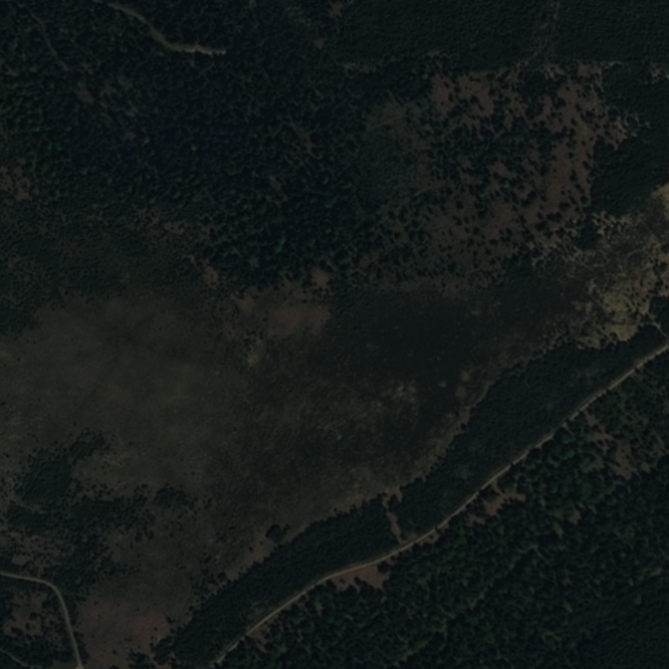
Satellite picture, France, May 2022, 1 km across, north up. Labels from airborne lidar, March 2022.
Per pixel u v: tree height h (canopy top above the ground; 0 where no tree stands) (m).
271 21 19
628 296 0
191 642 11
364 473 0
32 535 6
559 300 0
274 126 27
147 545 0
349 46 11
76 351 0
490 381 0
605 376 13
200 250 7
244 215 25
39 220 7
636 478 24
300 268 12
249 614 12
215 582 10
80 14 24
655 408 11
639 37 6
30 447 0
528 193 0
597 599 30
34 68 21
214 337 0
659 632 15
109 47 23
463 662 22
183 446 0
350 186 20
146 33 15
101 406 0
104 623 0
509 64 10
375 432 0
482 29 6
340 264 13
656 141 9
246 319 0
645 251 0
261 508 0
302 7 23
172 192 9
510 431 11
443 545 18
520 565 12
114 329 0
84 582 8
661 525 33
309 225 9
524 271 7
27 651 7
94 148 27
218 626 16
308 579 13
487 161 11
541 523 22
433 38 7
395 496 7
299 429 0
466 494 13
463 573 19
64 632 11
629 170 14
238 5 29
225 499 0
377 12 7
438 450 0
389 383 0
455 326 0
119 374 0
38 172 7
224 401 0
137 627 0
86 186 6
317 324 0
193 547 0
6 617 12
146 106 26
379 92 23
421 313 0
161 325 0
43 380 0
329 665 32
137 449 0
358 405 0
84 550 6
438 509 18
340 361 0
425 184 0
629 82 13
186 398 0
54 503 6
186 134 26
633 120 10
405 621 16
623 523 33
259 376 0
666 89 10
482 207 9
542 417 12
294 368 0
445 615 16
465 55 14
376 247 11
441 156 8
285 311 0
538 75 6
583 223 8
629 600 16
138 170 15
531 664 23
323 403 0
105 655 0
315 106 19
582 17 7
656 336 14
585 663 20
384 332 0
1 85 17
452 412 0
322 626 16
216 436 0
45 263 5
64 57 26
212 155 30
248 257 20
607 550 16
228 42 26
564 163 0
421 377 0
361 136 13
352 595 21
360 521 15
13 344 0
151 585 0
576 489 21
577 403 13
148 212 7
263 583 14
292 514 0
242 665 15
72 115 32
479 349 0
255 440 0
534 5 9
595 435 9
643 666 13
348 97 18
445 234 7
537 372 11
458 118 9
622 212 7
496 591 17
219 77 19
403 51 8
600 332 7
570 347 8
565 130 6
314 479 0
